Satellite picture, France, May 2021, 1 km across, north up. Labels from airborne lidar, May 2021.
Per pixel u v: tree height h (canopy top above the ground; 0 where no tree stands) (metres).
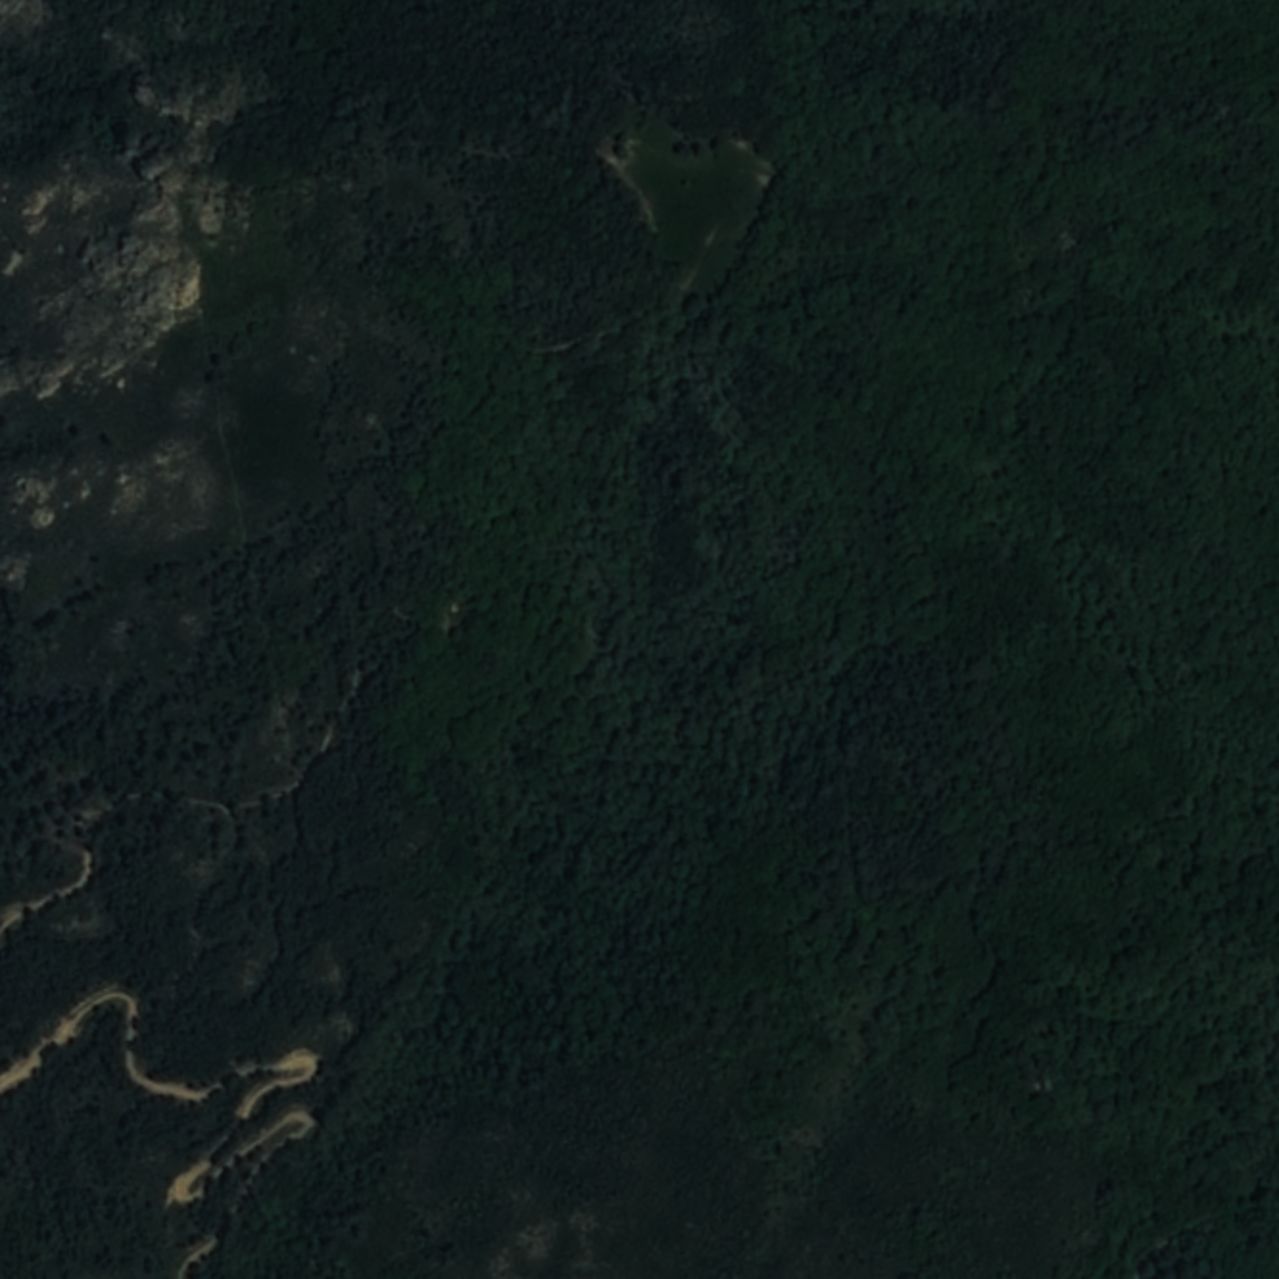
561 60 23
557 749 20
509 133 23
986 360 21
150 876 22
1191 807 26
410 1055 17
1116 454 17
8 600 18
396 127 20
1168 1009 14
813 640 14
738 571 14
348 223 8
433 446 22
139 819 8
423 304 16
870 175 18
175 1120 11
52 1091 12
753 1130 8
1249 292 21
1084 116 6
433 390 19
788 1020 14
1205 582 21
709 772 21
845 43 15
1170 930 25
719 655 11
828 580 18
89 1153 15
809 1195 6
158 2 13
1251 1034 16
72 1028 0
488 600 22
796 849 16
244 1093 18
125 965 25
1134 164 17
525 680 21
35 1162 18
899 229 28
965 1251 7
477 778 21
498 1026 14
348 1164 14
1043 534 18
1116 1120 25
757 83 15
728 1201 7
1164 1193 20
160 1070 12
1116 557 19
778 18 20
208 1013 18
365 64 20
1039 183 10
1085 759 19
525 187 13
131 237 0
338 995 6
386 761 19
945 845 18
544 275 11
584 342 10
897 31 14
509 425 21
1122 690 22
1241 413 20
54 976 9
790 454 14
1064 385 11
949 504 19
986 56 15
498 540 22
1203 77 8
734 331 24
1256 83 15
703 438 16
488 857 23
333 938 20
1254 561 22
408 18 22
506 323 22
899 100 18
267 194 9
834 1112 10
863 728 15
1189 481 21
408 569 15
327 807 18
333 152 7
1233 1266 15
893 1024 16
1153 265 19
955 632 17
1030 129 20
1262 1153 22
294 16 21
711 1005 15
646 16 8
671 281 15
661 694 9
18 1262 8
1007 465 18
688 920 17
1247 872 22
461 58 20
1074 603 20
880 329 15
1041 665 21
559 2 22
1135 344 20
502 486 23
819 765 13
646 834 18
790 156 17
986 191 12
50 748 24
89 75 8
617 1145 8
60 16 7
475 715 19
